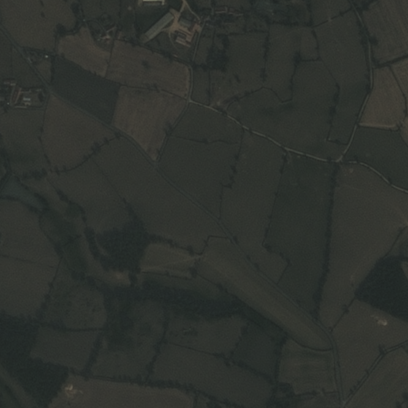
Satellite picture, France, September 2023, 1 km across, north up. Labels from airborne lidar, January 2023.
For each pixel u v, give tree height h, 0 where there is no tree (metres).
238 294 0
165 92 0
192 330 0
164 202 0
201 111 0
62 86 0
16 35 0
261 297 0
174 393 0
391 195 0
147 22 0
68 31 0
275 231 0
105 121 0
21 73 0
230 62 0
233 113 0
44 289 0
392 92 0
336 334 0
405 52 0
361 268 0
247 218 0
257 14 16
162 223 0
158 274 0
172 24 0
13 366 13
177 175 0
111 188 0
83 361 0
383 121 0
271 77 0
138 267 20
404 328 0
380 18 0
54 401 0
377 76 0
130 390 0
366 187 0
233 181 11
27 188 9
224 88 0
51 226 0
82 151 0
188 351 0
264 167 0
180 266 0
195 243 0
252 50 0
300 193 0
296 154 0
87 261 0
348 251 0
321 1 0
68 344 0
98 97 0
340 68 0
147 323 0
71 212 0
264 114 0
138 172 0
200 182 0
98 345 13
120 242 16
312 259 0
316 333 0
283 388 9
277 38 0
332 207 11
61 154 0
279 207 0
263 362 0
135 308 0
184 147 0
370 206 0
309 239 0
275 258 0
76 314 0
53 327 16
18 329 9
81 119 0
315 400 0
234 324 0
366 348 0
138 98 0
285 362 0
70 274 0
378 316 0
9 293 0
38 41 0
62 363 0
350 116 0
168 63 0
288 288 0
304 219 0
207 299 0
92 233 15
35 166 0
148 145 0
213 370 0
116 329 0
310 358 0
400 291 14
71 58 0
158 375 0
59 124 0
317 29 0
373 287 15
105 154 0
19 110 0
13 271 0
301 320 0
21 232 0
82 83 0
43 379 7
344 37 0
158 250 0
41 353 0
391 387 0
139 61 0
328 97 0
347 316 0
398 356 0
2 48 0
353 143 0
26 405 0
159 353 10
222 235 0
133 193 0
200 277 0
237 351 0
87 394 0
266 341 0
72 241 14
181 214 0
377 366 0
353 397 0
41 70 0
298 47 0
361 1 0
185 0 0
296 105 0
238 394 0
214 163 0
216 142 0
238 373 0
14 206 0
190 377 0
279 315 0
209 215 0
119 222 0
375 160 0
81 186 0
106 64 19
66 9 0
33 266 0
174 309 0
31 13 0
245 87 0
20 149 0
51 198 0
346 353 0
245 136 0
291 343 0
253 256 0
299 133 0
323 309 0
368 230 0
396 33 0
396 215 0
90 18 0
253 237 0
